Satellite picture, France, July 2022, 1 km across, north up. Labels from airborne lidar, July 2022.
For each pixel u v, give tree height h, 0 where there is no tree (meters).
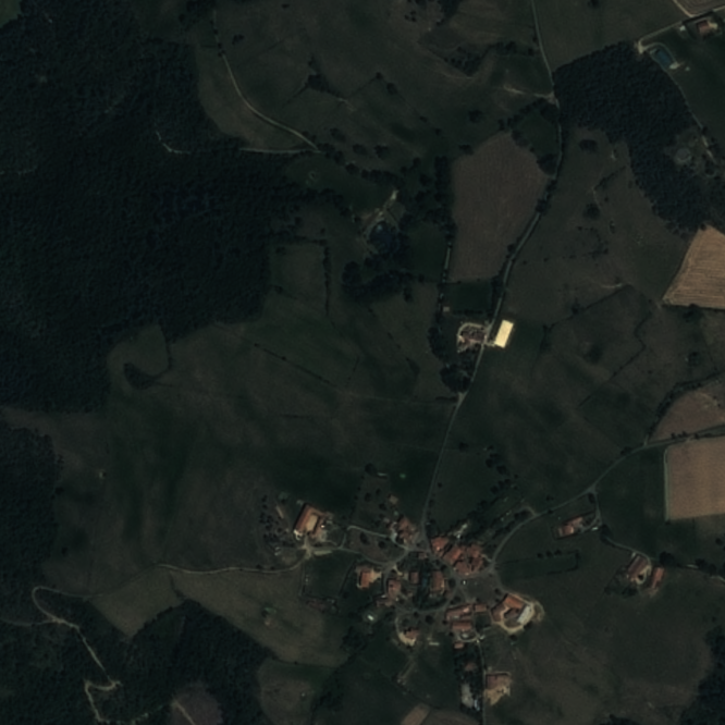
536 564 0
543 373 0
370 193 0
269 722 0
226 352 0
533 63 0
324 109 0
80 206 8
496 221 0
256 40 0
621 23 0
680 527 0
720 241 0
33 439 7
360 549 0
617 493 0
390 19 0
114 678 10
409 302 9
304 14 0
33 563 6
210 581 0
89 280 6
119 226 10
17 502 13
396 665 0
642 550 0
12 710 13
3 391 17
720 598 0
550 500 8
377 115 0
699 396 0
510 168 0
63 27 15
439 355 14
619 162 0
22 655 10
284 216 11
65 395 10
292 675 0
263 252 13
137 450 0
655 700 0
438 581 0
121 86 15
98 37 14
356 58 0
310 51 0
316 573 0
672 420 0
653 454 0
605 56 8
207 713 0
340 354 0
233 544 0
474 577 0
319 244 8
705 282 0
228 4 0
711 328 0
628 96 7
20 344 15
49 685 15
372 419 0
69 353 8
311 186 0
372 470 13
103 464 0
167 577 0
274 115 0
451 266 0
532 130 0
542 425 0
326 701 12
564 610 0
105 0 22
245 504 0
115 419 0
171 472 0
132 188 8
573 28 0
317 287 0
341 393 0
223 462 0
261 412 0
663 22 0
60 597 7
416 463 0
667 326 0
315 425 0
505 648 0
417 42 0
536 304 0
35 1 19
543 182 0
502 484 12
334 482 0
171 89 9
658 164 10
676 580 0
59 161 15
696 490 0
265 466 0
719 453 0
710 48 0
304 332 0
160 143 8
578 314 13
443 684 0
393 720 0
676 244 0
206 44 0
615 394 0
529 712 0
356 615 6
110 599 0
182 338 6
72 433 0
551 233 0
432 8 0
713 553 0
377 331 0
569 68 8
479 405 0
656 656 0
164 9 0
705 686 13
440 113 0
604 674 0
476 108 0
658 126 8
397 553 0
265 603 0
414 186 0
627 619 0
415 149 0
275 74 0
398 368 0
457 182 0
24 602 7
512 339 0
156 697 11
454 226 13
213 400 0
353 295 18
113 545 0
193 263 11
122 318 8
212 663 10
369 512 0
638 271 0
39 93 19
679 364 0
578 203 0
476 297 0
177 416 0
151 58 19
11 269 8
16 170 11
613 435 0
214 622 9
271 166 12
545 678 0
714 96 0
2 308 9
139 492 0
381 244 7
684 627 0
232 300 5
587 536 0
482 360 0
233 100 0
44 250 12
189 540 0
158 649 20
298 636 0
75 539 0
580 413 0
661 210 8
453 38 0
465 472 0
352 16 0
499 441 0
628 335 0
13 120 15
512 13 0
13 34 18
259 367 0
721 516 0
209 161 10
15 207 11
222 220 9
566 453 0
